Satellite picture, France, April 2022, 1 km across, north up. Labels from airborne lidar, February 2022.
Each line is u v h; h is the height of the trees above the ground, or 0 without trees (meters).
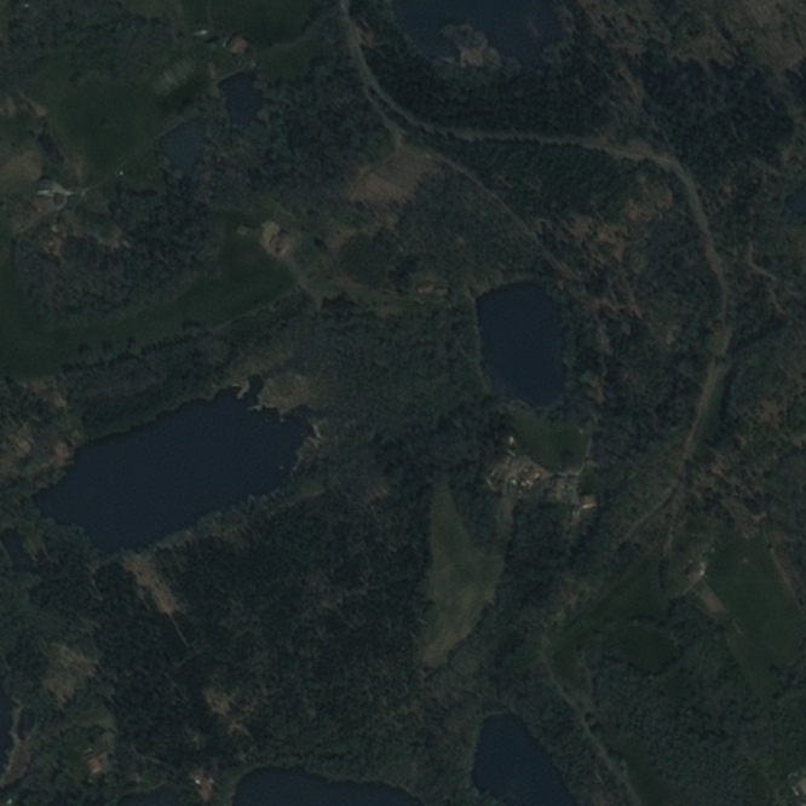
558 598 22
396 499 6
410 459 13
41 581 22
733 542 0
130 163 0
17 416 11
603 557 18
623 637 0
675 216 13
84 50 17
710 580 0
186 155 0
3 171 0
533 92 18
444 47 0
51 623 7
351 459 21
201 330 14
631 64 9
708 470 25
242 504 12
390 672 7
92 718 0
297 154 26
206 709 6
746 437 12
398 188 0
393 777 14
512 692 23
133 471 0
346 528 9
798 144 18
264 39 0
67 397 16
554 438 0
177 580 7
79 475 0
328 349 7
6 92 15
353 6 10
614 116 26
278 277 0
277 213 0
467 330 25
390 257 8
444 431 12
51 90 0
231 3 0
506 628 29
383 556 8
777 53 0
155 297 24
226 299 0
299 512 7
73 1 26
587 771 16
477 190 24
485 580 0
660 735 14
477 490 17
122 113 0
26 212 0
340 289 0
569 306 13
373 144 27
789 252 6
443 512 0
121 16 21
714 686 23
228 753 13
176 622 7
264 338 7
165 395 14
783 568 0
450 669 12
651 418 16
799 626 0
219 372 15
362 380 20
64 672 0
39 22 23
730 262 24
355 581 9
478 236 23
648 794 0
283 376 0
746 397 27
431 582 11
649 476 26
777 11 0
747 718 15
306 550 14
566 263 16
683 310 16
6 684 17
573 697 22
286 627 10
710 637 20
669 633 15
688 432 20
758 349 26
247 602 8
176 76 0
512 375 0
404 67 10
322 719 12
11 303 0
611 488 23
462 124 18
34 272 22
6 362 0
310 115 27
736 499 25
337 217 21
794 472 28
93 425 32
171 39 19
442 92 18
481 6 0
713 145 27
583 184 14
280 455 0
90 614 20
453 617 0
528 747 0
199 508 0
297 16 0
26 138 0
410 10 0
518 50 0
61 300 24
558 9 25
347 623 6
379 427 19
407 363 25
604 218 12
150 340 0
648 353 11
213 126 21
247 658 8
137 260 20
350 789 0
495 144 10
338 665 8
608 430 21
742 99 32
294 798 0
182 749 7
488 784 0
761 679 0
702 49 0
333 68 21
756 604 0
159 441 0
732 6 0
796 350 18
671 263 16
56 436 30
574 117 18
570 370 13
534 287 0
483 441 27
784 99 18
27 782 14
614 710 18
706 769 17
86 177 0
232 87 0
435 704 16
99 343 0
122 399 26
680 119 29
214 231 21
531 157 8
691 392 13
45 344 0
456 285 21
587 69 25
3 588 19
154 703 23
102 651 20
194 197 25
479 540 22
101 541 0
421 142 10
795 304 21
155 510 0
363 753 6
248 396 0
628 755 0
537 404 0
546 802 0
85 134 0
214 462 0
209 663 7
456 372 23
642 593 0
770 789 0
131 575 7
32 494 24
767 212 14
